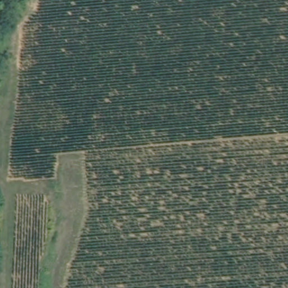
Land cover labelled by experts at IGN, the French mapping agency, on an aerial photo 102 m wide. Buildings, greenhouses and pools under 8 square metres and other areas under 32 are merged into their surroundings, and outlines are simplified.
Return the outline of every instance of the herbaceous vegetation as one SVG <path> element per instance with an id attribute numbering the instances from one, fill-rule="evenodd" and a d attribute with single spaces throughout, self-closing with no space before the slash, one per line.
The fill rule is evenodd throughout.
<path id="1" fill-rule="evenodd" d="M 37 11 L 38 0 L 29 0 L 25 19 L 13 31 L 11 49 L 7 49 L 6 64 L 10 67 L 10 73 L 4 75 L 6 80 L 0 93 L 0 288 L 11 288 L 16 195 L 43 192 L 49 201 L 48 209 L 63 211 L 63 222 L 57 228 L 57 258 L 54 271 L 51 273 L 52 288 L 66 288 L 67 281 L 72 276 L 71 264 L 79 249 L 82 229 L 89 216 L 85 151 L 55 153 L 53 177 L 28 179 L 13 177 L 11 173 L 12 138 L 15 134 L 13 118 L 18 106 L 18 72 L 21 48 L 24 47 L 22 38 L 30 31 L 31 27 L 26 25 L 26 21 Z"/>

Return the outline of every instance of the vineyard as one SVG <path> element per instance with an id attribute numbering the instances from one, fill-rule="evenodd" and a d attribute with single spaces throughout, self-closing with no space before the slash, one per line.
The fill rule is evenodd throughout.
<path id="1" fill-rule="evenodd" d="M 18 106 L 13 118 L 15 134 L 12 138 L 11 173 L 13 177 L 28 179 L 53 177 L 55 153 L 85 151 L 89 216 L 82 229 L 79 249 L 71 264 L 72 276 L 67 281 L 66 288 L 288 288 L 288 0 L 38 0 L 37 11 L 26 21 L 26 25 L 31 27 L 30 31 L 22 38 L 24 47 L 21 48 L 18 72 Z"/>
<path id="2" fill-rule="evenodd" d="M 42 254 L 43 242 L 47 240 L 49 229 L 48 209 L 49 201 L 43 192 L 16 195 L 11 288 L 38 288 L 39 255 Z"/>

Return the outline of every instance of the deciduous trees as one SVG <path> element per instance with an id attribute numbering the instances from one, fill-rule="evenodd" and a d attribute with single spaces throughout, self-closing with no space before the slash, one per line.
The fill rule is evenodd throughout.
<path id="1" fill-rule="evenodd" d="M 11 49 L 13 31 L 25 19 L 29 0 L 0 0 L 0 93 L 6 80 L 4 75 L 10 73 L 10 67 L 6 64 L 7 49 Z"/>

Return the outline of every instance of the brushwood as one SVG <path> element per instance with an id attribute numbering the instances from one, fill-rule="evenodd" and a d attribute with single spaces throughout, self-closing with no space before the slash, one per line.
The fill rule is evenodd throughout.
<path id="1" fill-rule="evenodd" d="M 57 228 L 63 222 L 63 211 L 48 209 L 49 229 L 47 240 L 43 242 L 42 254 L 39 255 L 38 288 L 52 288 L 51 273 L 54 271 L 57 258 Z"/>

